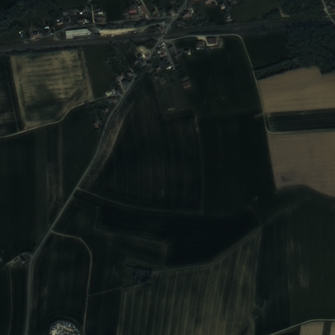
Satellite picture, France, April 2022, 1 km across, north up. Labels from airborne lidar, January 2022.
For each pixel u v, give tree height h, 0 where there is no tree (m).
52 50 7
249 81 0
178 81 0
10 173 0
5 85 0
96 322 0
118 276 0
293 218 0
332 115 0
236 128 0
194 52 0
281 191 0
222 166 0
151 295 0
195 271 0
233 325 0
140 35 0
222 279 0
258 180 0
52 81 0
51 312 0
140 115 0
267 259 0
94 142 0
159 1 0
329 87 0
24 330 0
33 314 0
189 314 0
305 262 0
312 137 0
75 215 0
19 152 0
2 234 0
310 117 0
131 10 0
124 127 0
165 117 0
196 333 0
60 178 0
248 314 0
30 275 0
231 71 0
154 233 0
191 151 0
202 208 0
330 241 0
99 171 0
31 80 0
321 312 0
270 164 0
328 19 0
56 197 0
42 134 0
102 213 0
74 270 0
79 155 0
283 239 0
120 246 0
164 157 0
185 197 0
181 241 0
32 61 0
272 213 0
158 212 0
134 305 0
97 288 0
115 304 0
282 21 0
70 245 0
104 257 0
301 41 17
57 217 0
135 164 0
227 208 0
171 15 0
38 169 0
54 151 0
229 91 0
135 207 0
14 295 0
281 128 0
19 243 0
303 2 24
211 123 0
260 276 0
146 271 12
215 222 0
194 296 0
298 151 0
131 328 0
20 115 0
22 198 0
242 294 0
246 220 0
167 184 0
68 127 0
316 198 0
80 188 0
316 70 0
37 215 0
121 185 0
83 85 0
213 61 0
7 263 0
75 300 0
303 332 0
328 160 0
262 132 0
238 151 0
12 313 0
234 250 0
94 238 0
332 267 0
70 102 0
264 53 0
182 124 0
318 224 0
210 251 0
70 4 0
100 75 0
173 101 0
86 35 0
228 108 0
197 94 0
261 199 0
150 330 0
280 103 0
